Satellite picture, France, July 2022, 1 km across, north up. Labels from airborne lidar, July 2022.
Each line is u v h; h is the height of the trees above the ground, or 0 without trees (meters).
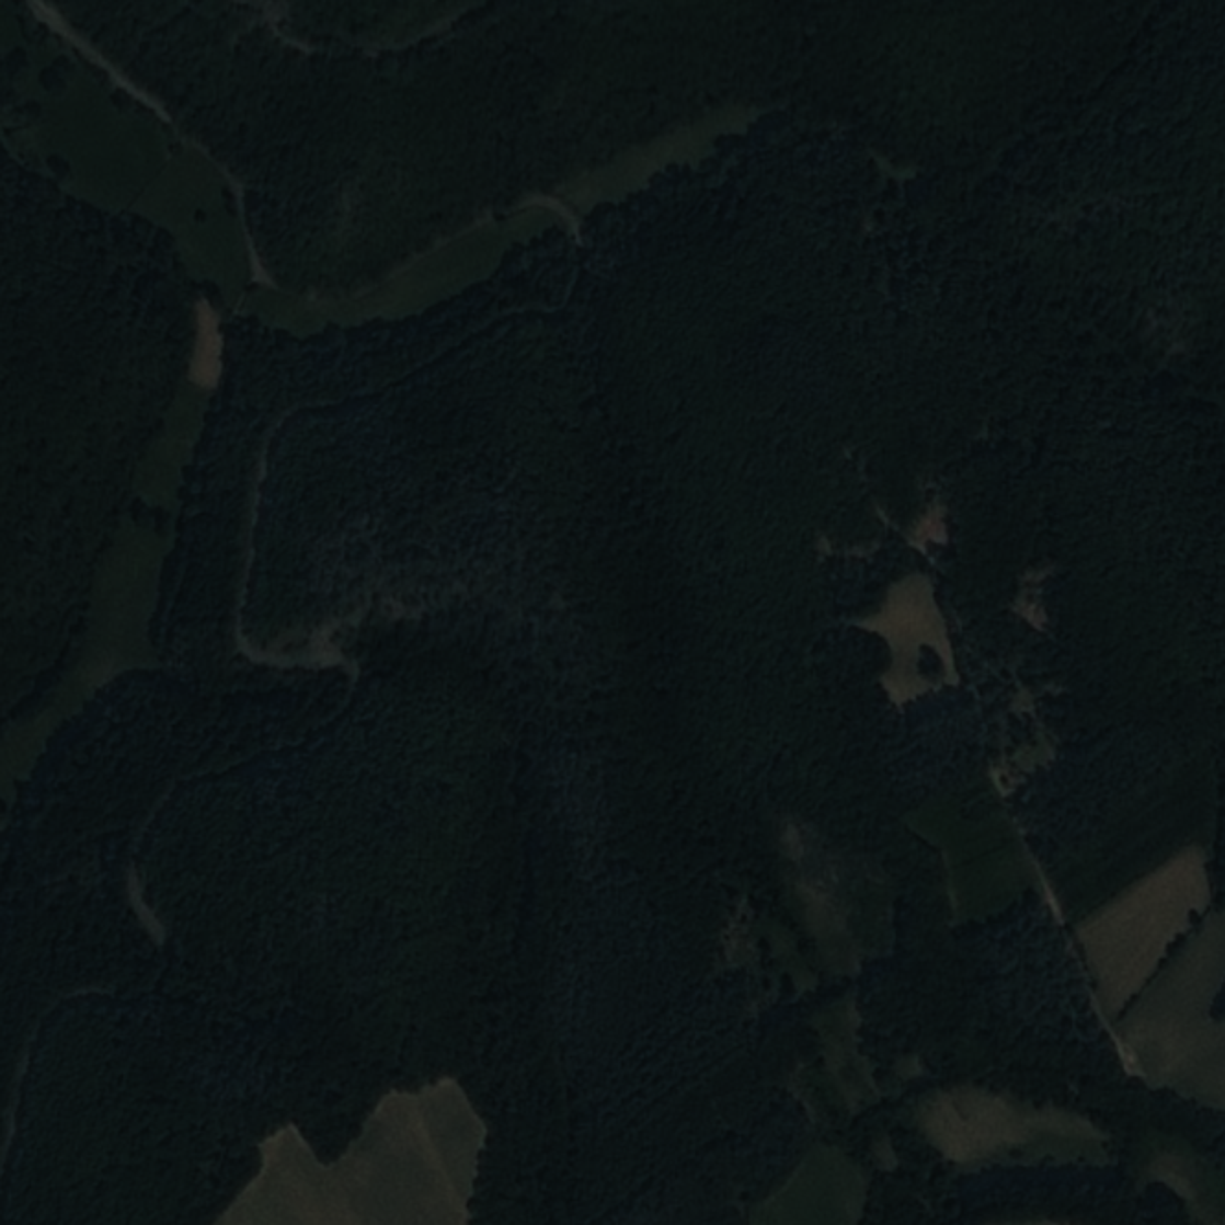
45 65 0
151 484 0
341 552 13
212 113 15
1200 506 21
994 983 20
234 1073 30
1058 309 26
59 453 24
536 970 21
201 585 18
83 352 21
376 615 11
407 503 15
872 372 18
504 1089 17
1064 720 15
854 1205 0
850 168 23
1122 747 23
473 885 22
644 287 18
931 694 0
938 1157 8
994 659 21
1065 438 22
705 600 19
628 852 16
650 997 15
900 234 8
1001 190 27
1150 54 24
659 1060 20
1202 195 12
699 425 17
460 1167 0
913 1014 14
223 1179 10
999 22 21
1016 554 20
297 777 24
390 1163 0
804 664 21
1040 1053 19
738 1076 11
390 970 16
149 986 25
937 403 26
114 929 16
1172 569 19
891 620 0
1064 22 19
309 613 11
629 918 16
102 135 0
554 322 22
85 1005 11
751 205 21
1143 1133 21
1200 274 12
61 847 17
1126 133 17
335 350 26
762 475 14
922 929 23
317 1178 0
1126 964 0
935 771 25
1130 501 18
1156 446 23
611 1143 10
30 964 20
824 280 22
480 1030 17
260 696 6
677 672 26
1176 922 0
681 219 21
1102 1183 28
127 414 17
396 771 16
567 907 17
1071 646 25
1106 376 21
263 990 20
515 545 18
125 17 15
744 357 18
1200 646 22
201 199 0
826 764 16
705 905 23
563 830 17
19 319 26
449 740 12
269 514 15
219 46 16
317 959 16
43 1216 13
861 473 15
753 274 18
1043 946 22
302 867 12
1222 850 19
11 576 20
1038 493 25
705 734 20
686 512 17
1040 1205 23
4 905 20
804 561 16
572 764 21
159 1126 20
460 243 0
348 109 17
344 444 27
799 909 0
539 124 13
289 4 9
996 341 25
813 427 14
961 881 0
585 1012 13
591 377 18
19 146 15
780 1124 18
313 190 12
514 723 21
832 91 19
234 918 17
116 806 18
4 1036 19
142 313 16
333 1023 26
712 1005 20
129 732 21
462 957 17
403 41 10
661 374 12
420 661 25
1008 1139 0
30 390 24
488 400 23
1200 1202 0
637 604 23
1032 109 27
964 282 21
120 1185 18
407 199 12
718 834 25
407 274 0
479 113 25
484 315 19
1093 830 28
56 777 22
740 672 14
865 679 21
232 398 17
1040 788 18
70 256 24
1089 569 20
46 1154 15
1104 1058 18
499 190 19
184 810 15
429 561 15
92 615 11
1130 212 14
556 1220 22
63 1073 14
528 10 23
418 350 23
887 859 19
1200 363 26
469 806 15
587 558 20
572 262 21
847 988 14
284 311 0
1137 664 18
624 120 19
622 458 26
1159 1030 0
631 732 23
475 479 11
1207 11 23
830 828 21
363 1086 19
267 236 13
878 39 18
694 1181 15
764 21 18
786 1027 29
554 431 16
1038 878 0
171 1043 29
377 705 16
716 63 17
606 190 0
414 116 20
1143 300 11
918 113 9
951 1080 12
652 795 29
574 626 10
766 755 12
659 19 17
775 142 21
